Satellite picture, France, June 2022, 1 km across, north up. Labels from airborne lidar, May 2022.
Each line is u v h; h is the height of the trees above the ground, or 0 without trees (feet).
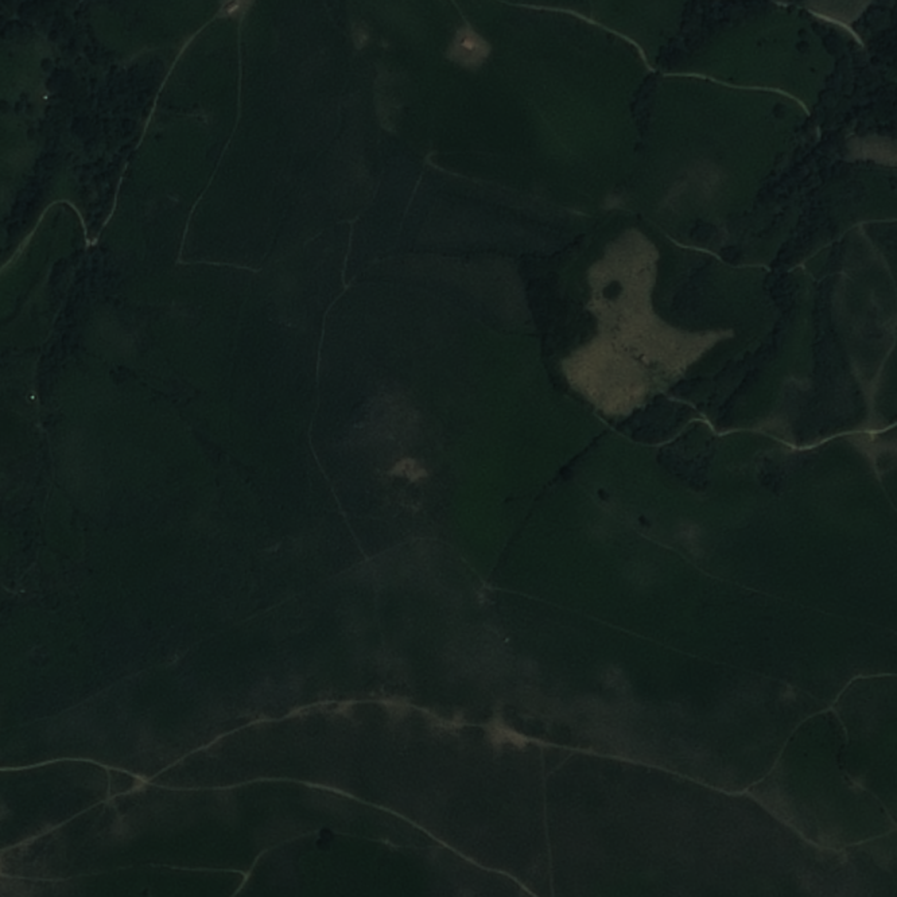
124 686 0
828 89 35
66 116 26
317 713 0
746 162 0
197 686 0
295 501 0
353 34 0
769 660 0
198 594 0
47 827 0
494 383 0
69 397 0
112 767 0
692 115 0
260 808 0
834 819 0
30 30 44
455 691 0
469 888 0
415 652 0
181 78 0
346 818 0
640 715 0
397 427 0
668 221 0
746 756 0
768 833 0
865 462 0
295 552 0
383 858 0
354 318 0
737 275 0
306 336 0
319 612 0
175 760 0
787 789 0
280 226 0
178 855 0
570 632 0
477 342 0
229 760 0
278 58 0
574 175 0
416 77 0
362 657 0
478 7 0
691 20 47
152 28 0
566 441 0
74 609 0
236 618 0
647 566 0
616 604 0
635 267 0
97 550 0
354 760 0
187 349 0
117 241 0
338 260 0
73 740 0
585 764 0
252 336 0
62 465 0
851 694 0
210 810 0
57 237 0
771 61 0
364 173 0
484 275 0
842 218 0
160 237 0
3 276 0
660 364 0
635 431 26
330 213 0
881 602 0
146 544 0
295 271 0
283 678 0
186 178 0
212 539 0
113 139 27
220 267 0
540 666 0
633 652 0
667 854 0
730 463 0
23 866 0
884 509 0
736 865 0
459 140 0
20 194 27
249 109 0
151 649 0
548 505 0
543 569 0
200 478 0
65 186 0
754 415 0
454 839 0
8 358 26
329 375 0
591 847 0
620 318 0
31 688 0
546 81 0
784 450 0
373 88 0
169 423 0
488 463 0
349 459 0
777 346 23
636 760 0
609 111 0
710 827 0
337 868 0
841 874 0
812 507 0
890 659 0
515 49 0
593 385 0
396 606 0
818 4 0
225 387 0
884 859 0
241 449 0
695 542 0
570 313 46
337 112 0
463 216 0
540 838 0
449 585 0
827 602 0
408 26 0
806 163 44
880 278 0
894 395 0
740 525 0
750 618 0
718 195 0
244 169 0
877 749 0
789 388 0
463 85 0
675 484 0
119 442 0
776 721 0
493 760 0
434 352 0
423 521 0
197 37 0
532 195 0
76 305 35
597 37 0
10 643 0
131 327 0
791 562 0
